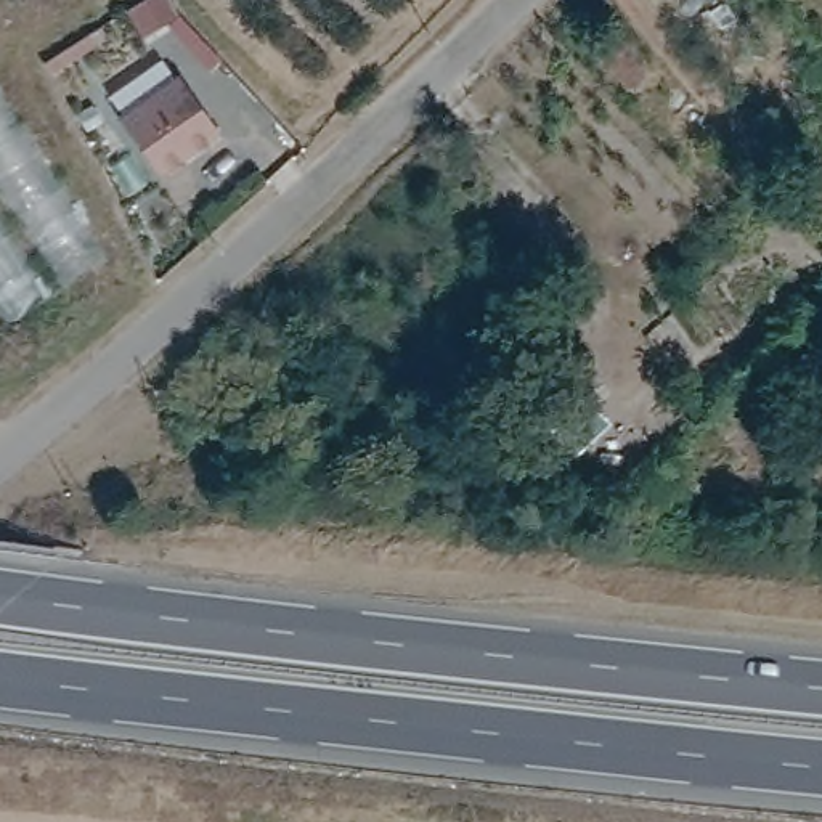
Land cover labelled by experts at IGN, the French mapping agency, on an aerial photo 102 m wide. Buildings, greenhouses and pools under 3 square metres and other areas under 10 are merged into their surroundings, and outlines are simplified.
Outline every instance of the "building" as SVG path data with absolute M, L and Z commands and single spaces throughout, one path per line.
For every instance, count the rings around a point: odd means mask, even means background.
M 199 116 L 199 96 L 193 93 L 183 71 L 167 74 L 164 64 L 154 64 L 141 77 L 112 93 L 116 106 L 122 106 L 116 122 L 144 148 L 154 180 L 170 189 L 180 180 L 189 183 L 196 161 L 222 148 L 222 132 L 206 116 Z
M 215 51 L 209 39 L 202 39 L 202 32 L 183 13 L 170 10 L 167 0 L 144 0 L 135 10 L 128 10 L 132 22 L 144 35 L 144 45 L 151 48 L 173 29 L 183 48 L 189 48 L 206 67 L 215 64 Z

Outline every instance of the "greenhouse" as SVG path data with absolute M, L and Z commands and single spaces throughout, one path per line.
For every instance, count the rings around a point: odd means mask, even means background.
M 74 202 L 67 189 L 55 180 L 51 161 L 39 148 L 35 135 L 16 125 L 13 106 L 0 112 L 0 206 L 26 222 L 26 231 L 51 260 L 58 276 L 64 286 L 74 286 L 83 273 L 103 270 L 106 257 L 103 250 L 87 250 L 80 244 L 90 231 L 90 215 L 83 202 Z
M 26 267 L 26 257 L 6 234 L 0 238 L 0 315 L 6 321 L 22 318 L 35 302 L 51 299 L 48 286 Z

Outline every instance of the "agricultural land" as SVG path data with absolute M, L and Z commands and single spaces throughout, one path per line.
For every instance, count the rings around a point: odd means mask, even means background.
M 777 148 L 793 148 L 803 138 L 803 109 L 822 100 L 822 96 L 803 90 L 803 74 L 816 61 L 816 51 L 803 45 L 783 48 L 783 32 L 774 26 L 774 16 L 748 19 L 748 10 L 732 13 L 719 0 L 610 0 L 629 19 L 636 35 L 613 51 L 613 58 L 600 58 L 597 64 L 607 71 L 610 80 L 636 93 L 639 103 L 629 112 L 623 112 L 613 93 L 600 93 L 607 122 L 600 122 L 597 116 L 591 116 L 591 106 L 584 100 L 584 90 L 594 77 L 581 61 L 565 58 L 568 71 L 578 80 L 555 80 L 552 90 L 572 100 L 575 119 L 552 125 L 549 144 L 539 148 L 533 135 L 523 135 L 507 116 L 523 112 L 527 122 L 539 125 L 539 80 L 546 77 L 546 61 L 552 55 L 552 35 L 568 22 L 568 16 L 559 10 L 559 0 L 555 0 L 549 10 L 533 13 L 527 29 L 501 48 L 498 64 L 491 64 L 466 87 L 466 96 L 482 109 L 482 119 L 472 119 L 469 125 L 469 128 L 475 154 L 494 177 L 491 193 L 517 193 L 527 206 L 555 206 L 559 215 L 572 222 L 575 234 L 584 238 L 588 257 L 604 267 L 604 292 L 633 292 L 642 302 L 642 311 L 652 311 L 655 302 L 645 292 L 655 289 L 655 279 L 645 267 L 645 254 L 668 238 L 681 250 L 687 250 L 697 238 L 703 238 L 703 231 L 713 222 L 732 212 L 732 202 L 742 193 L 742 177 L 755 170 L 771 170 Z M 732 67 L 739 80 L 751 80 L 745 100 L 735 109 L 722 109 L 722 93 L 716 83 L 710 83 L 703 74 L 681 67 L 681 61 L 668 48 L 665 29 L 658 26 L 661 3 L 668 3 L 678 16 L 703 19 L 719 61 Z
M 703 279 L 697 308 L 678 318 L 694 344 L 716 340 L 722 347 L 748 328 L 748 318 L 758 305 L 777 299 L 777 289 L 783 283 L 796 279 L 803 267 L 822 263 L 822 231 L 800 234 L 771 225 L 764 250 L 751 257 L 735 257 L 719 270 L 719 276 Z

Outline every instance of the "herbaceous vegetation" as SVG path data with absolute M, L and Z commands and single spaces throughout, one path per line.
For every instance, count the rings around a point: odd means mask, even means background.
M 584 238 L 575 234 L 572 222 L 559 215 L 555 206 L 527 206 L 517 193 L 491 193 L 494 177 L 475 154 L 469 128 L 437 135 L 427 144 L 414 144 L 414 161 L 401 173 L 408 199 L 417 206 L 427 206 L 433 186 L 450 193 L 450 199 L 462 209 L 453 218 L 456 250 L 469 254 L 472 241 L 485 238 L 491 244 L 488 273 L 453 283 L 440 299 L 430 299 L 424 305 L 417 321 L 401 324 L 392 347 L 382 347 L 376 356 L 369 356 L 382 372 L 376 401 L 366 405 L 363 414 L 347 421 L 340 437 L 331 437 L 318 450 L 328 459 L 340 459 L 350 453 L 366 456 L 372 443 L 389 443 L 389 417 L 398 408 L 398 398 L 430 395 L 453 369 L 472 360 L 475 337 L 469 337 L 469 331 L 485 331 L 488 295 L 501 292 L 504 270 L 511 270 L 530 247 L 549 244 L 552 254 L 562 257 L 568 267 L 578 267 L 588 257 Z
M 157 372 L 141 385 L 151 411 L 157 414 L 170 411 L 170 382 L 177 369 L 186 360 L 193 360 L 202 337 L 212 328 L 228 324 L 231 315 L 247 315 L 257 324 L 286 324 L 299 311 L 318 315 L 324 292 L 331 289 L 324 283 L 328 270 L 347 263 L 347 273 L 372 276 L 376 267 L 389 267 L 392 254 L 398 254 L 401 247 L 389 222 L 392 209 L 385 209 L 376 199 L 350 218 L 347 231 L 321 244 L 305 263 L 289 270 L 279 260 L 273 260 L 273 267 L 250 286 L 228 289 L 212 311 L 199 311 L 189 331 L 177 331 L 161 356 Z
M 0 822 L 816 822 L 809 812 L 787 812 L 767 806 L 684 806 L 475 783 L 469 777 L 437 780 L 382 771 L 340 771 L 321 764 L 276 764 L 263 758 L 225 755 L 215 748 L 199 748 L 196 761 L 180 761 L 144 751 L 106 751 L 106 735 L 93 735 L 93 748 L 83 748 L 0 735 Z
M 382 552 L 389 543 L 430 539 L 414 523 L 379 523 L 353 530 L 347 520 L 315 517 L 305 527 L 308 533 L 337 533 L 347 543 L 369 539 L 372 552 Z
M 690 501 L 690 517 L 710 514 L 735 520 L 742 514 L 751 514 L 761 501 L 800 498 L 796 485 L 774 485 L 771 475 L 761 472 L 761 456 L 748 437 L 764 424 L 777 424 L 777 411 L 764 398 L 764 382 L 771 376 L 796 372 L 800 379 L 812 376 L 822 382 L 822 311 L 812 315 L 803 347 L 777 347 L 748 376 L 748 385 L 735 408 L 739 421 L 722 430 L 726 446 L 719 446 L 719 456 L 713 462 L 716 469 L 706 469 L 700 494 Z
M 225 446 L 206 440 L 196 446 L 193 456 L 183 456 L 170 462 L 151 456 L 132 462 L 125 472 L 100 469 L 90 475 L 90 482 L 61 482 L 48 494 L 22 498 L 10 511 L 10 517 L 0 520 L 0 546 L 22 543 L 42 549 L 77 549 L 87 546 L 83 530 L 106 527 L 135 498 L 148 504 L 177 498 L 183 504 L 193 504 L 193 498 L 202 491 L 202 498 L 215 511 L 222 511 L 225 491 L 218 475 L 218 453 Z
M 318 96 L 305 90 L 299 100 L 292 100 L 279 87 L 279 80 L 273 80 L 257 64 L 254 55 L 247 55 L 218 29 L 218 22 L 199 0 L 167 0 L 170 10 L 183 13 L 202 32 L 202 39 L 209 39 L 215 51 L 231 64 L 228 77 L 241 77 L 241 93 L 247 100 L 263 103 L 276 116 L 276 125 L 295 125 L 302 112 L 318 103 Z
M 100 337 L 106 337 L 128 311 L 135 311 L 144 302 L 148 283 L 154 276 L 154 267 L 144 260 L 144 247 L 135 238 L 132 225 L 116 225 L 112 206 L 100 180 L 87 170 L 83 151 L 74 144 L 64 119 L 55 112 L 55 100 L 42 80 L 51 58 L 77 45 L 80 39 L 100 32 L 128 10 L 135 10 L 144 0 L 0 0 L 0 112 L 13 106 L 16 125 L 35 135 L 39 148 L 51 161 L 55 180 L 67 189 L 74 202 L 83 202 L 90 215 L 90 231 L 80 244 L 87 250 L 103 250 L 106 257 L 103 270 L 83 273 L 74 286 L 64 286 L 58 276 L 48 286 L 51 299 L 35 302 L 22 318 L 6 321 L 0 315 L 0 421 L 29 398 L 29 389 L 39 385 L 39 379 L 45 379 L 55 366 L 77 360 Z

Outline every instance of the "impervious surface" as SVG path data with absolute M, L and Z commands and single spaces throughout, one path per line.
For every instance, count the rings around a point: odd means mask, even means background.
M 389 588 L 315 588 L 302 578 L 234 575 L 161 562 L 90 562 L 77 549 L 42 549 L 22 543 L 0 546 L 0 735 L 83 748 L 93 748 L 93 735 L 106 735 L 106 751 L 144 751 L 180 761 L 196 761 L 199 748 L 215 748 L 225 755 L 263 758 L 276 764 L 321 764 L 340 771 L 382 771 L 437 780 L 469 777 L 475 783 L 684 806 L 767 806 L 787 812 L 809 812 L 816 822 L 822 822 L 822 645 L 777 645 L 629 626 L 466 613 L 450 610 L 446 597 L 440 594 L 401 594 Z
M 527 29 L 533 13 L 549 10 L 555 0 L 478 0 L 469 10 L 469 16 L 459 26 L 453 26 L 453 32 L 446 32 L 411 71 L 405 71 L 395 83 L 379 90 L 353 112 L 340 112 L 334 103 L 328 96 L 318 96 L 318 103 L 302 112 L 295 125 L 276 125 L 276 116 L 263 103 L 247 100 L 241 93 L 241 77 L 228 77 L 231 64 L 215 51 L 215 64 L 206 67 L 189 48 L 183 48 L 173 29 L 151 48 L 119 74 L 112 71 L 112 64 L 93 67 L 87 61 L 87 51 L 103 48 L 100 32 L 80 39 L 77 45 L 51 58 L 42 80 L 55 100 L 55 112 L 64 119 L 74 144 L 83 151 L 87 170 L 100 180 L 112 206 L 116 225 L 132 225 L 135 238 L 144 247 L 144 260 L 154 267 L 164 247 L 170 247 L 180 234 L 189 238 L 189 228 L 206 206 L 228 199 L 250 173 L 260 177 L 263 186 L 199 244 L 167 276 L 154 276 L 148 283 L 144 302 L 135 311 L 128 311 L 106 337 L 100 337 L 77 360 L 55 366 L 45 379 L 39 379 L 39 385 L 29 389 L 29 398 L 0 421 L 0 466 L 10 475 L 19 475 L 35 453 L 71 433 L 71 424 L 90 414 L 106 395 L 141 385 L 157 372 L 161 356 L 177 331 L 189 331 L 199 311 L 212 311 L 228 289 L 250 286 L 273 267 L 273 260 L 279 260 L 344 202 L 344 196 L 389 151 L 398 148 L 398 141 L 417 125 L 417 106 L 424 96 L 433 93 L 440 103 L 446 103 L 446 109 L 456 119 L 469 125 L 472 119 L 482 119 L 482 109 L 466 96 L 466 87 L 491 64 L 498 64 L 501 48 Z M 154 180 L 144 148 L 116 122 L 122 106 L 116 106 L 112 93 L 141 77 L 154 64 L 164 64 L 167 74 L 183 71 L 193 93 L 199 96 L 199 116 L 206 116 L 222 132 L 222 148 L 196 161 L 189 183 L 180 180 L 170 189 Z

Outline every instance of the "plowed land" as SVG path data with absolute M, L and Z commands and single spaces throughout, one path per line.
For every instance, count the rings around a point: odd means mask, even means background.
M 379 90 L 395 83 L 405 71 L 411 71 L 446 32 L 453 32 L 453 26 L 459 26 L 469 16 L 469 10 L 478 0 L 344 0 L 369 26 L 366 45 L 347 51 L 315 22 L 308 22 L 292 0 L 276 0 L 279 13 L 328 55 L 324 77 L 305 77 L 292 67 L 292 61 L 283 51 L 276 51 L 267 39 L 254 35 L 241 22 L 231 0 L 199 0 L 218 22 L 218 29 L 247 55 L 254 55 L 257 64 L 273 80 L 279 80 L 279 87 L 292 100 L 299 100 L 305 90 L 318 96 L 328 96 L 334 103 L 353 80 L 353 74 L 369 64 L 379 67 Z

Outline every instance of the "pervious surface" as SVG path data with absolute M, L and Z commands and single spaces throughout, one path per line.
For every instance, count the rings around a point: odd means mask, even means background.
M 450 610 L 466 613 L 629 626 L 777 645 L 822 645 L 822 581 L 793 584 L 735 575 L 729 578 L 655 568 L 613 568 L 588 565 L 565 552 L 504 555 L 482 549 L 478 543 L 453 546 L 430 539 L 389 543 L 382 552 L 372 552 L 369 539 L 347 543 L 337 533 L 308 533 L 305 527 L 250 530 L 212 523 L 141 536 L 116 536 L 106 527 L 83 530 L 87 546 L 77 549 L 90 562 L 161 562 L 234 575 L 302 578 L 315 588 L 389 588 L 401 594 L 440 594 L 446 597 Z
M 427 144 L 437 135 L 469 128 L 469 125 L 456 119 L 446 109 L 446 103 L 440 103 L 433 93 L 424 96 L 417 106 L 417 125 L 398 141 L 398 148 L 389 151 L 344 196 L 344 202 L 279 260 L 289 270 L 305 263 L 321 244 L 347 231 L 350 218 L 376 199 L 376 193 L 389 180 L 401 173 L 414 161 L 414 144 Z
M 0 520 L 10 517 L 10 511 L 22 498 L 48 494 L 61 482 L 90 482 L 90 475 L 100 469 L 125 472 L 132 462 L 151 456 L 170 462 L 183 456 L 161 433 L 157 414 L 151 411 L 141 385 L 106 395 L 90 414 L 71 424 L 71 433 L 35 453 L 19 475 L 10 475 L 0 466 Z
M 655 302 L 652 311 L 642 311 L 642 302 L 633 292 L 604 292 L 591 318 L 581 321 L 581 340 L 594 356 L 594 389 L 600 398 L 597 427 L 588 443 L 578 443 L 572 459 L 572 475 L 588 488 L 620 485 L 633 475 L 633 469 L 645 462 L 661 466 L 668 459 L 668 446 L 681 437 L 681 427 L 671 424 L 671 408 L 655 401 L 655 385 L 684 376 L 690 363 L 703 363 L 716 356 L 722 347 L 716 340 L 694 344 L 678 318 L 668 302 Z

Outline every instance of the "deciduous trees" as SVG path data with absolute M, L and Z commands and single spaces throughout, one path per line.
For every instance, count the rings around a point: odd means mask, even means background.
M 591 106 L 591 116 L 597 116 L 600 122 L 607 122 L 600 93 L 613 93 L 623 112 L 629 112 L 639 103 L 636 93 L 610 80 L 607 71 L 597 64 L 600 58 L 613 58 L 613 51 L 636 35 L 629 19 L 610 0 L 559 0 L 559 10 L 568 16 L 568 22 L 552 35 L 552 55 L 546 61 L 546 77 L 539 80 L 539 125 L 527 122 L 523 112 L 507 116 L 523 135 L 533 135 L 539 148 L 549 144 L 552 125 L 575 119 L 572 100 L 552 90 L 555 80 L 578 80 L 568 71 L 565 58 L 581 61 L 594 77 L 584 90 L 584 100 Z
M 199 244 L 263 186 L 260 177 L 250 173 L 228 199 L 206 206 L 189 228 L 189 238 L 196 238 Z
M 822 0 L 719 0 L 732 13 L 748 10 L 748 19 L 774 16 L 774 26 L 783 32 L 783 48 L 803 45 L 816 51 L 816 61 L 803 74 L 803 90 L 822 96 Z
M 279 13 L 276 0 L 231 0 L 241 22 L 254 35 L 267 39 L 276 51 L 283 51 L 292 61 L 292 67 L 305 77 L 324 77 L 328 55 Z
M 369 64 L 353 74 L 353 80 L 334 103 L 340 112 L 353 112 L 379 90 L 379 67 Z
M 366 45 L 369 26 L 344 0 L 292 0 L 308 22 L 315 22 L 347 51 Z
M 722 93 L 722 109 L 735 109 L 745 100 L 751 80 L 739 80 L 732 67 L 719 61 L 703 19 L 678 16 L 668 3 L 661 3 L 658 26 L 665 29 L 668 48 L 681 61 L 681 67 L 703 74 L 710 83 L 716 83 Z
M 222 511 L 215 511 L 202 498 L 202 491 L 193 498 L 193 504 L 183 504 L 177 498 L 148 504 L 135 498 L 106 527 L 116 536 L 141 536 L 212 523 L 250 530 L 305 527 L 315 517 L 347 520 L 353 530 L 379 523 L 414 523 L 430 539 L 453 546 L 478 543 L 482 549 L 504 555 L 565 552 L 588 565 L 613 568 L 655 568 L 729 578 L 735 575 L 793 584 L 822 581 L 822 382 L 812 376 L 800 379 L 796 372 L 771 376 L 764 382 L 764 398 L 777 411 L 777 424 L 764 424 L 748 437 L 761 456 L 761 472 L 771 475 L 774 485 L 796 485 L 800 498 L 761 501 L 751 514 L 742 514 L 735 520 L 710 514 L 690 517 L 690 501 L 700 494 L 706 469 L 716 469 L 713 462 L 719 456 L 719 446 L 726 446 L 722 430 L 739 421 L 735 408 L 748 385 L 748 376 L 777 347 L 803 347 L 812 315 L 822 311 L 822 263 L 803 267 L 796 279 L 783 283 L 777 289 L 777 299 L 758 305 L 748 318 L 748 328 L 722 347 L 716 356 L 703 363 L 690 363 L 684 376 L 655 385 L 655 401 L 671 408 L 671 424 L 681 427 L 681 437 L 668 446 L 668 459 L 661 466 L 645 462 L 633 469 L 633 475 L 620 485 L 588 488 L 572 475 L 572 459 L 578 443 L 588 443 L 597 427 L 600 398 L 594 389 L 594 356 L 581 340 L 581 321 L 591 318 L 604 292 L 604 267 L 588 257 L 578 267 L 568 267 L 562 257 L 552 254 L 549 244 L 530 247 L 511 270 L 504 270 L 501 292 L 488 295 L 485 331 L 469 331 L 469 337 L 475 337 L 472 360 L 453 369 L 430 395 L 398 398 L 398 408 L 389 417 L 389 443 L 372 443 L 366 456 L 350 453 L 340 459 L 328 459 L 318 450 L 331 437 L 340 437 L 347 421 L 363 414 L 366 405 L 376 401 L 382 372 L 369 356 L 376 356 L 382 347 L 392 347 L 401 324 L 417 321 L 424 305 L 430 299 L 440 299 L 453 283 L 488 273 L 491 244 L 485 238 L 472 241 L 469 254 L 456 250 L 453 218 L 462 209 L 450 199 L 450 193 L 433 186 L 427 206 L 417 206 L 408 199 L 401 173 L 389 180 L 376 193 L 376 199 L 385 209 L 392 209 L 389 222 L 401 247 L 398 254 L 392 254 L 389 267 L 376 267 L 372 276 L 347 273 L 347 263 L 328 270 L 324 283 L 331 289 L 324 292 L 318 315 L 299 311 L 286 324 L 257 324 L 247 315 L 231 315 L 228 324 L 212 328 L 202 337 L 193 360 L 186 360 L 177 369 L 170 382 L 170 411 L 157 414 L 161 433 L 183 456 L 193 456 L 196 446 L 206 440 L 225 446 L 218 453 L 218 475 L 225 491 Z
M 764 250 L 771 225 L 800 234 L 822 231 L 822 100 L 803 109 L 803 138 L 793 148 L 777 148 L 771 170 L 755 170 L 742 177 L 742 193 L 732 202 L 732 212 L 713 222 L 703 231 L 703 238 L 697 238 L 687 250 L 681 250 L 668 238 L 645 254 L 645 267 L 655 279 L 655 289 L 645 292 L 655 302 L 668 302 L 678 318 L 697 308 L 703 279 L 719 276 L 719 270 L 735 257 L 751 257 Z

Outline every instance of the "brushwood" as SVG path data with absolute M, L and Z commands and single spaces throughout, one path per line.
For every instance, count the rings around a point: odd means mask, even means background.
M 189 238 L 180 234 L 170 247 L 164 247 L 154 267 L 154 276 L 167 276 L 199 244 L 196 238 Z
M 144 45 L 144 35 L 132 22 L 128 10 L 100 32 L 103 48 L 87 51 L 87 61 L 93 67 L 112 64 L 112 71 L 119 74 L 151 48 Z
M 51 260 L 26 231 L 26 222 L 0 206 L 0 238 L 6 234 L 26 257 L 26 267 L 48 286 L 58 276 Z

